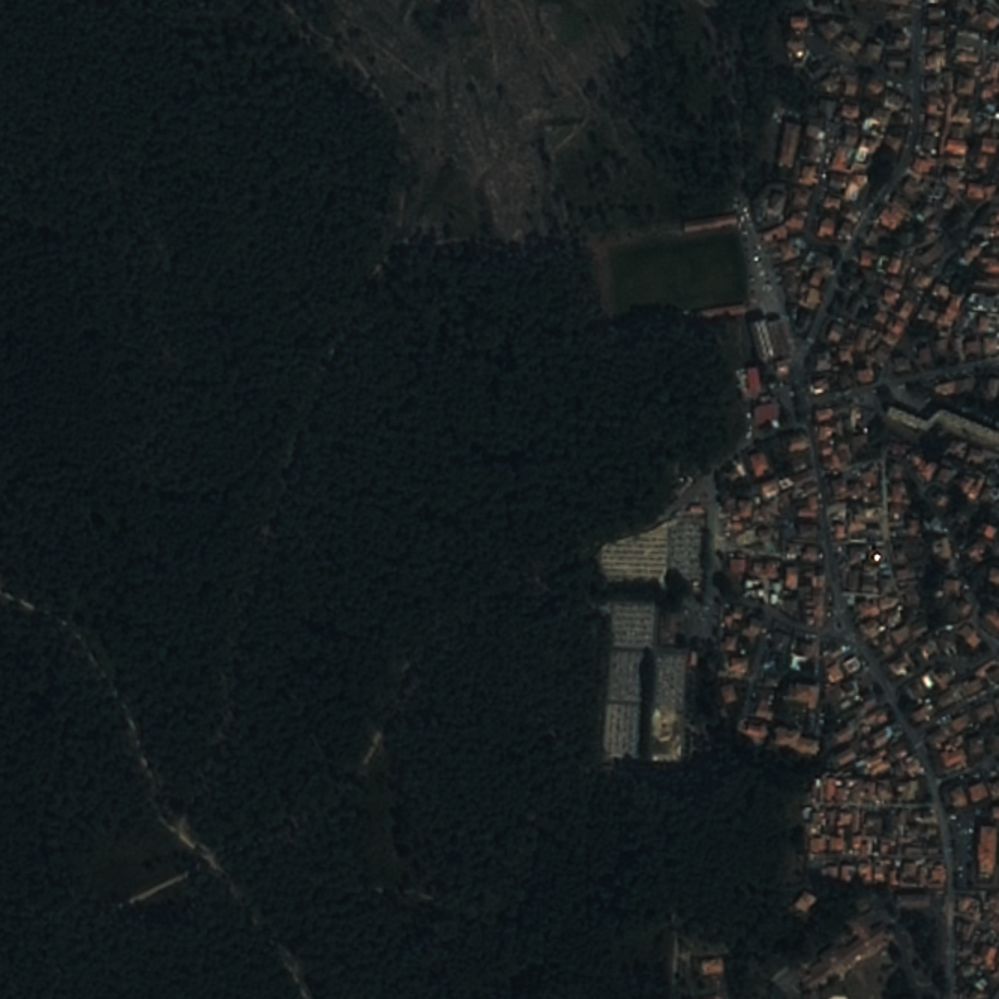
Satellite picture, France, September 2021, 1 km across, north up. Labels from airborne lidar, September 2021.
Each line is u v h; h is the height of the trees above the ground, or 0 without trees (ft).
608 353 54
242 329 85
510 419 78
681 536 0
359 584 79
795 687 0
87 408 58
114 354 68
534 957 78
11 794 68
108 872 0
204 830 91
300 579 89
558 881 59
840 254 25
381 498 78
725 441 73
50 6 67
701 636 0
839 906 61
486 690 82
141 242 82
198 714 75
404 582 74
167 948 84
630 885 81
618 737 0
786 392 0
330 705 71
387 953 73
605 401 68
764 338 0
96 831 75
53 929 91
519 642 80
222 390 78
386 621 91
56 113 77
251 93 83
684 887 76
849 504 30
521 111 0
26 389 65
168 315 84
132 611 83
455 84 0
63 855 86
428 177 0
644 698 31
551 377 85
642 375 69
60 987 62
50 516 58
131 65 81
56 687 79
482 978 58
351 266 82
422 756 64
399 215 61
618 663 0
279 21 56
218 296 75
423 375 80
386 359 84
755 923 85
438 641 78
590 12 0
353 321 73
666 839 80
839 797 0
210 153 79
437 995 62
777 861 77
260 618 83
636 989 58
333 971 80
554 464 87
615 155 0
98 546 53
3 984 86
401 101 0
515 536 75
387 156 79
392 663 84
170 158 69
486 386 24
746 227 0
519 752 81
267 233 78
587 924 60
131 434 61
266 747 73
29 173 60
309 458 86
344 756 66
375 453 73
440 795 75
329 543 84
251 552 85
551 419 72
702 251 0
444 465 84
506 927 67
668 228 0
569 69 0
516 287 85
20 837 71
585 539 77
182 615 83
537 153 0
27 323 69
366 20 0
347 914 81
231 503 80
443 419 87
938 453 57
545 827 66
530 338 87
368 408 75
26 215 54
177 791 92
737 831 69
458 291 82
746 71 83
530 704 76
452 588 92
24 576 59
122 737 87
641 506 73
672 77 34
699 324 38
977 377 25
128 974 80
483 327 94
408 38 0
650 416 70
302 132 79
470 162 0
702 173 78
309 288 60
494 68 0
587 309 64
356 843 78
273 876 91
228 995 91
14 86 55
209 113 74
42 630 52
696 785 53
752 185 37
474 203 0
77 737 82
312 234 81
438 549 76
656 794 78
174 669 70
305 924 87
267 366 80
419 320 81
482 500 89
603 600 39
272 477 76
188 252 79
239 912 85
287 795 76
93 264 68
